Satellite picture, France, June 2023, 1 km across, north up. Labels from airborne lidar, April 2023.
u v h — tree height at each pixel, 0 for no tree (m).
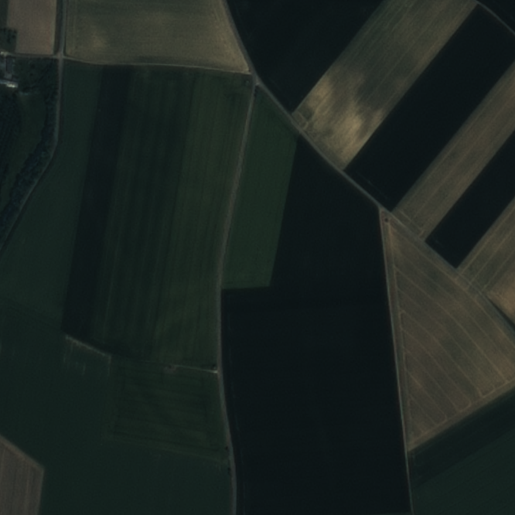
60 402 0
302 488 0
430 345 0
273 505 0
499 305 0
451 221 0
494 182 0
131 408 0
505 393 0
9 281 0
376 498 0
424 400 0
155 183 0
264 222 0
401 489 0
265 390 0
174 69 0
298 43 0
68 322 0
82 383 0
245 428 0
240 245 0
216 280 0
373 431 0
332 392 0
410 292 0
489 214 0
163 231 0
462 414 0
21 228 0
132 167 0
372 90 0
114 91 0
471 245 0
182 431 0
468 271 0
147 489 0
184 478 0
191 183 0
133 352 0
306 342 0
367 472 0
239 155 0
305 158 0
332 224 0
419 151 0
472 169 0
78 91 0
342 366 0
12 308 0
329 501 0
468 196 0
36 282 0
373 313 0
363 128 0
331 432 0
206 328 0
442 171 0
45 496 0
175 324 0
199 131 0
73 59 0
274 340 0
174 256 0
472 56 0
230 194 0
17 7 0
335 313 0
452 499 0
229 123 0
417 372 0
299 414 0
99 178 0
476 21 0
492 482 0
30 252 0
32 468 0
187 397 0
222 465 0
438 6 0
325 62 0
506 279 0
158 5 0
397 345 0
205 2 0
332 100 0
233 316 0
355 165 0
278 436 0
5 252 0
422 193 0
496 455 0
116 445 0
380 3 0
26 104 0
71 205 0
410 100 0
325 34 0
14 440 0
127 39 0
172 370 0
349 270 0
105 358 0
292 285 0
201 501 0
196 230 0
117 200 0
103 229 0
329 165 0
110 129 0
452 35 0
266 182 0
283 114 0
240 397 0
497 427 0
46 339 0
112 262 0
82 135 0
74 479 0
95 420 0
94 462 0
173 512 0
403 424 0
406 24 0
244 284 0
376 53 0
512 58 0
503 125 0
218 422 0
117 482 0
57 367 0
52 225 0
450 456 0
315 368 0
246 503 0
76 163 0
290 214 0
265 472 0
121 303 0
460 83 0
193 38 0
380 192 0
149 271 0
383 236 0
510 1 0
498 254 0
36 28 0
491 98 0
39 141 0
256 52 0
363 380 0
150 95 0
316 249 0
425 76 0
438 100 0
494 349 0
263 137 0
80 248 0
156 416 0
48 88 7
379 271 0
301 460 0
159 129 0
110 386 0
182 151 0
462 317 0
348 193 0
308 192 0
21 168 0
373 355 0
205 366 0
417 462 0
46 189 0
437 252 0
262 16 0
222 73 0
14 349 0
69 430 0
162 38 0
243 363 0
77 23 0
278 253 0
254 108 0
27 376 0
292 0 0
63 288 0
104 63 0
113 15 0
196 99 0
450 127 0
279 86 0
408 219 0
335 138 0
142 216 0
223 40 0
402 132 0
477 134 0
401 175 0
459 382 0
